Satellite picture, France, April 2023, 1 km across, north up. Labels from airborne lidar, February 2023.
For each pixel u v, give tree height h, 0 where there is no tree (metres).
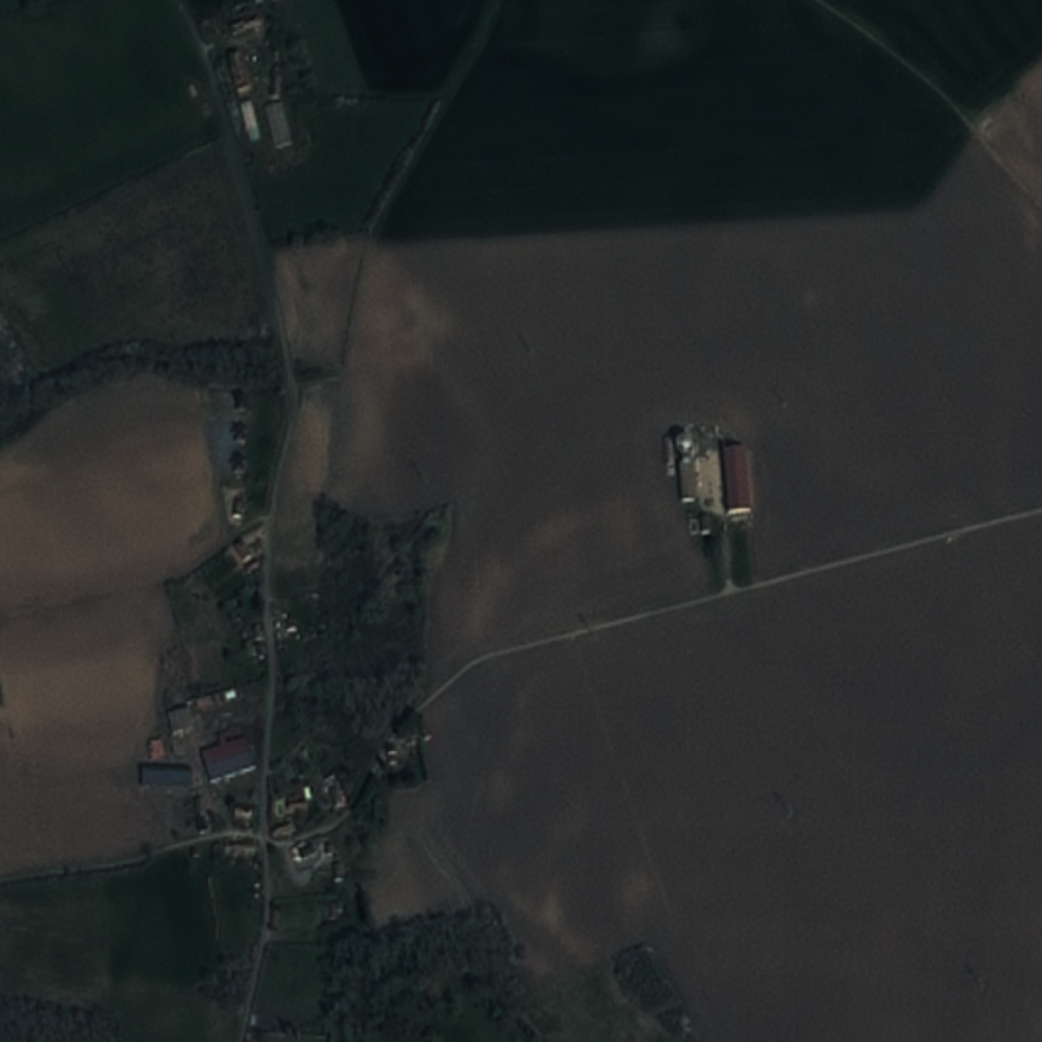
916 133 0
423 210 0
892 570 0
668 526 0
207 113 0
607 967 0
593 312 0
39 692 0
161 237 0
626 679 0
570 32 0
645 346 0
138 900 0
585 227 0
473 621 0
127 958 0
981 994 0
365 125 0
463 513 0
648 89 0
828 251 0
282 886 0
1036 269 0
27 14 10
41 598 0
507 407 0
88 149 0
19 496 0
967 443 0
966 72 0
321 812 13
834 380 0
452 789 0
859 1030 0
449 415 0
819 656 0
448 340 0
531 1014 0
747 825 0
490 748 0
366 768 0
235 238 0
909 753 0
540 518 0
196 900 0
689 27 0
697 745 0
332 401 0
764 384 0
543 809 0
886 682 0
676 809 0
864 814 0
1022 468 0
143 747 0
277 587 0
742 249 0
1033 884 0
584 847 0
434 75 0
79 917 0
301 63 13
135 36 0
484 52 0
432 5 0
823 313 0
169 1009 0
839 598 0
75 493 0
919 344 0
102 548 0
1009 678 0
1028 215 0
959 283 0
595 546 0
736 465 0
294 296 0
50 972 0
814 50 0
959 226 0
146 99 0
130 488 0
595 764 0
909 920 0
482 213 0
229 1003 18
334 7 0
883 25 0
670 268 0
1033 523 0
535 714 0
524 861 0
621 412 0
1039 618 0
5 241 0
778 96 0
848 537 0
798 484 0
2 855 0
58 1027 19
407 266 0
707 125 0
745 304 0
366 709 33
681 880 0
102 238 0
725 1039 0
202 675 0
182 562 0
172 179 0
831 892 0
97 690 0
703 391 0
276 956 0
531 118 0
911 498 0
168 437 0
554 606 0
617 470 0
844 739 0
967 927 0
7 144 0
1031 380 0
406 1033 7
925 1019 0
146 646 0
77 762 0
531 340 0
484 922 9
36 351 0
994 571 0
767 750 0
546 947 0
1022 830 0
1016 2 0
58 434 0
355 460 0
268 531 0
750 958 0
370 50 0
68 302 0
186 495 0
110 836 0
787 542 0
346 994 16
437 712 0
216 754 0
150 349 6
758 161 0
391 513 0
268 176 0
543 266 0
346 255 0
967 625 0
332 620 8
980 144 0
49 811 0
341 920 10
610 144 0
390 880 0
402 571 10
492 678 0
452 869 0
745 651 0
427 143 0
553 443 0
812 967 0
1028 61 0
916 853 0
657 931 0
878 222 0
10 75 0
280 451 0
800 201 0
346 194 0
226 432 0
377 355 0
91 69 0
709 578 0
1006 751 0
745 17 0
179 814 0
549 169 0
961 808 0
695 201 0
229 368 26
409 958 32
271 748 0
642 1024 0
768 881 0
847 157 0
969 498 0
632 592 0
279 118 0
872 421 0
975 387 0
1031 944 0
